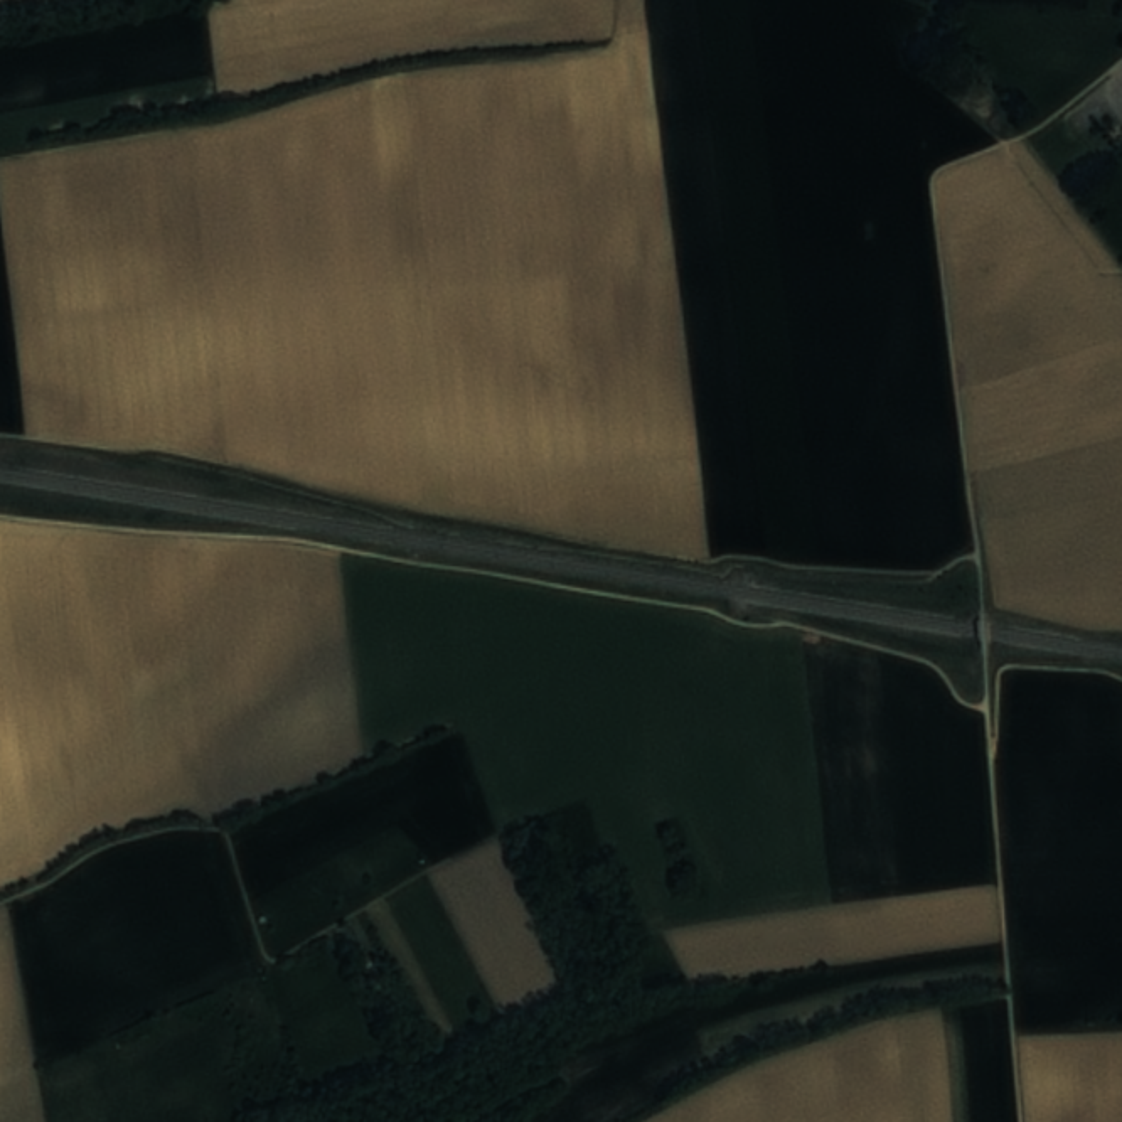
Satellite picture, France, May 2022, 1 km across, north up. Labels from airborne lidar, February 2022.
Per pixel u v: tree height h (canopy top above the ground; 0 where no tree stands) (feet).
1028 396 0
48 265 0
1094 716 0
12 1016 0
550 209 0
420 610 0
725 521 0
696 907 0
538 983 0
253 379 0
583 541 0
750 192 0
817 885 0
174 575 0
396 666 0
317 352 0
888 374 0
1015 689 0
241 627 0
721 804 0
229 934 0
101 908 0
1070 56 0
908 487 0
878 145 0
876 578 0
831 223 0
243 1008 0
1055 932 0
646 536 0
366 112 0
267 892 0
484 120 0
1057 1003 0
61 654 0
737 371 0
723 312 0
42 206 0
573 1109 0
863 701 0
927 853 0
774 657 0
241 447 0
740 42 0
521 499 0
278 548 0
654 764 0
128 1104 0
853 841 0
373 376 0
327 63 0
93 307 0
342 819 0
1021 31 0
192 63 0
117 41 0
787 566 0
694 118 0
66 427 0
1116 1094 0
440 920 0
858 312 0
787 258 0
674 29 0
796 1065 0
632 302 0
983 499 0
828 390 0
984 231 0
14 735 0
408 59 21
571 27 0
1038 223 0
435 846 0
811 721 0
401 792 0
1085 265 0
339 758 0
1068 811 0
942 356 0
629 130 0
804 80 0
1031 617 0
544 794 0
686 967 0
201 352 0
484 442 0
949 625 0
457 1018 0
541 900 66
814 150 0
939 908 0
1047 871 0
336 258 0
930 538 0
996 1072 0
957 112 0
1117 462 0
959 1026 0
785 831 0
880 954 0
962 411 0
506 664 0
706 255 0
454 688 0
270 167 0
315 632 0
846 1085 0
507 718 0
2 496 0
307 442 0
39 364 0
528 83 0
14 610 0
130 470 0
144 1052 0
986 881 0
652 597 0
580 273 0
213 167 0
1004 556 0
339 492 0
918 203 0
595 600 0
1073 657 0
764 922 0
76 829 0
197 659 0
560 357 0
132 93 0
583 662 0
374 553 0
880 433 0
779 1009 0
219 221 0
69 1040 0
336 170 0
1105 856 0
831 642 0
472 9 0
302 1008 0
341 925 23
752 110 0
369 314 0
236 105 57
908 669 0
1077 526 0
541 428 0
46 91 0
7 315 0
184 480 0
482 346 0
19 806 0
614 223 0
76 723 0
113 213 0
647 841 0
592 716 0
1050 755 0
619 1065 0
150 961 0
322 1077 0
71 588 0
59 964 0
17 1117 0
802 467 0
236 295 0
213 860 0
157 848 0
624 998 62
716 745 0
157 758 0
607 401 0
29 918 0
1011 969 0
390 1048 68
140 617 0
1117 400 0
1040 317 0
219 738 0
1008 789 0
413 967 0
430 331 0
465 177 0
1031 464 0
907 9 0
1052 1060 0
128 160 0
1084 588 0
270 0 0
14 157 0
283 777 0
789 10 0
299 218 0
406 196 0
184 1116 0
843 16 0
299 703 0
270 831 0
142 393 0
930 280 0
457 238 0
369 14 0
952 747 0
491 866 0
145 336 0
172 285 0
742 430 0
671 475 0
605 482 0
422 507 0
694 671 0
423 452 0
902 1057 0
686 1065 0
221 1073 0
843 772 0
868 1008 67
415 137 0
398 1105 91
